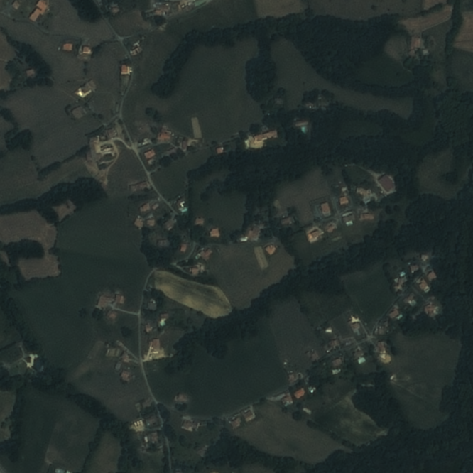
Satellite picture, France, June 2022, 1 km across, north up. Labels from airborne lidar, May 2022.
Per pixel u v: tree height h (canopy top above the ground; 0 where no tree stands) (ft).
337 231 0
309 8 26
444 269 84
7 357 0
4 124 0
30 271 0
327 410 0
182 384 0
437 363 0
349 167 0
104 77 0
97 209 0
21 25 0
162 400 0
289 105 0
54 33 0
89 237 0
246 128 0
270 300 69
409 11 0
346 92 0
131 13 0
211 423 39
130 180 0
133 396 0
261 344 0
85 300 0
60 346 0
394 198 60
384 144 74
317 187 0
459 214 77
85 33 0
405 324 62
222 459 96
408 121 39
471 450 80
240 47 0
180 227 28
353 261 88
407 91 58
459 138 92
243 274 0
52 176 0
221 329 89
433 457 54
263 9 0
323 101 0
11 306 68
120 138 0
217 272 0
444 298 66
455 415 60
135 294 0
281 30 88
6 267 39
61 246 0
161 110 0
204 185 0
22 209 68
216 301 0
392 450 54
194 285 0
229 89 0
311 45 57
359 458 66
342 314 0
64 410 0
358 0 0
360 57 59
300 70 0
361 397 74
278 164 108
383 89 52
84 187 75
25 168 0
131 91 0
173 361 29
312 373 58
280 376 0
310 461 0
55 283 0
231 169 52
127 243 0
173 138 0
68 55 0
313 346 0
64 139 0
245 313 72
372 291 0
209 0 0
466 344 76
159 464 0
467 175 0
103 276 0
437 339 0
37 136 0
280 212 0
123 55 0
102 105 0
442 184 0
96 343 0
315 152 83
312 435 0
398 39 0
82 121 0
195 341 85
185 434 0
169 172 0
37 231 0
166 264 78
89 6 40
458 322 97
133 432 0
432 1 0
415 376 0
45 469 0
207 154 0
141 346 0
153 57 0
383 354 0
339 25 78
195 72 0
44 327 0
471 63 0
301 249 0
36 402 0
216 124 0
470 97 63
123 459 61
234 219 0
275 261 0
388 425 74
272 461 79
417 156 55
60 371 66
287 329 0
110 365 0
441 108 88
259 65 81
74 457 0
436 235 76
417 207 63
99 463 0
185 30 0
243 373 0
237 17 0
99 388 0
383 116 63
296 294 25
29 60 56
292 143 69
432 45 0
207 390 0
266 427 0
